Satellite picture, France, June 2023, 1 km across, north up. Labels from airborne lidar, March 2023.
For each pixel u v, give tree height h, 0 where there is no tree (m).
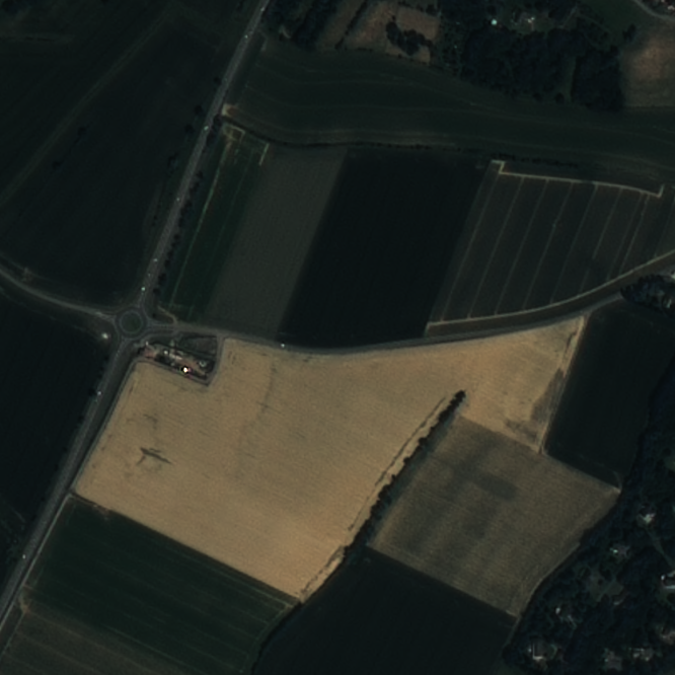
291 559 0
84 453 0
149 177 0
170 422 0
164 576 0
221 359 0
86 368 0
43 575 0
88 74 0
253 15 0
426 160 0
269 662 0
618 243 0
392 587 0
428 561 0
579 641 21
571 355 0
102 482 0
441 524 0
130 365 0
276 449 0
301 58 0
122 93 0
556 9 13
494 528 0
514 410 0
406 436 0
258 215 0
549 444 0
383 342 0
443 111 0
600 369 0
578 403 0
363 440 0
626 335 0
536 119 0
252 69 0
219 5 0
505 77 24
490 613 0
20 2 16
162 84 0
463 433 0
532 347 0
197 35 0
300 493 0
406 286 0
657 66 0
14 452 0
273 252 0
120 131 0
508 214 0
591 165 0
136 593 0
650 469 26
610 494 0
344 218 0
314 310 0
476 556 0
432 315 0
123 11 0
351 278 0
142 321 0
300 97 0
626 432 0
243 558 0
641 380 0
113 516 0
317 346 0
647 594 25
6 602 0
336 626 0
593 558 22
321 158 0
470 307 0
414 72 0
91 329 0
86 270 0
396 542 0
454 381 0
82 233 0
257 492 0
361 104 0
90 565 0
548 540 0
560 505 0
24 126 0
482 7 23
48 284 0
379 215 0
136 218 0
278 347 0
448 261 0
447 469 0
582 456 0
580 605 19
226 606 0
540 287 0
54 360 0
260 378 0
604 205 0
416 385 0
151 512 0
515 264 0
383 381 0
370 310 0
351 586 0
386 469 0
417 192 0
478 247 0
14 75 0
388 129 0
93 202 0
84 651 0
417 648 0
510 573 0
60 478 0
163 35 0
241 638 0
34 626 0
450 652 0
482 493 0
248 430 0
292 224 0
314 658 0
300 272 0
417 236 0
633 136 0
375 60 0
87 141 0
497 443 0
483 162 0
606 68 23
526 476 0
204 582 0
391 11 0
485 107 0
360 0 0
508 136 0
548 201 0
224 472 0
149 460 0
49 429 0
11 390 0
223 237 0
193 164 0
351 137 0
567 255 0
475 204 0
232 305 0
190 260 0
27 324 0
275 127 0
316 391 0
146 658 0
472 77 20
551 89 16
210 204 0
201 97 0
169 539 0
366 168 0
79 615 0
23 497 0
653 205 0
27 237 0
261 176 0
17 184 0
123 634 0
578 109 0
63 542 0
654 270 0
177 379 0
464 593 0
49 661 0
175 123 0
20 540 0
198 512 0
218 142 0
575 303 0
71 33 0
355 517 0
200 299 0
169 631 0
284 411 0
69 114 0
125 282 0
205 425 0
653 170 0
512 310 0
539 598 10
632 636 26
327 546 0
